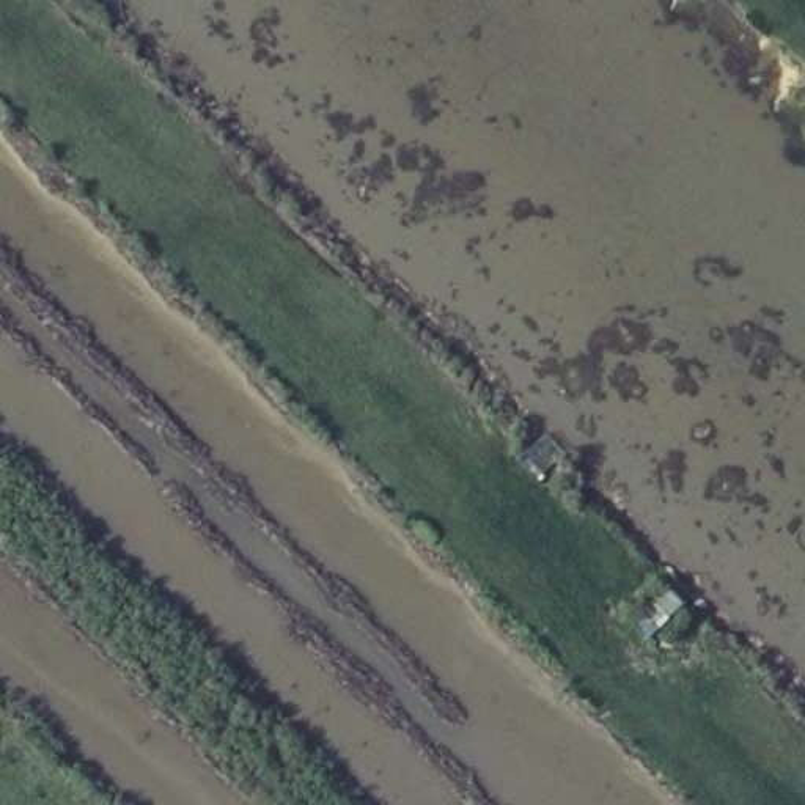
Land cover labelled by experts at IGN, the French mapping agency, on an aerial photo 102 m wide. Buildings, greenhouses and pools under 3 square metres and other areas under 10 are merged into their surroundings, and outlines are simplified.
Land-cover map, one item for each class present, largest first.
<instances>
[{"label":"water","instance_id":"1","mask_svg":"<svg viewBox=\"0 0 805 805\"><path fill-rule=\"evenodd\" d=\"M129 19H135L138 28L157 41V60L151 63L167 85L182 91L195 104V110L223 132L226 142L242 148L261 167L267 186L286 192L302 211V217H311L321 226V236L327 242L340 245L346 267L362 286L380 292L384 302L403 308L415 321V330L434 343H440L447 355L456 358L481 384V390L491 396L500 415H506L522 431V437L535 443L541 440V431L547 425L550 431H560L569 440V447L560 453L582 475L579 500L582 506L613 522L619 535L632 541L651 566H657L660 585L679 594V607L689 616L711 623L720 635H730L739 648L752 651L774 679V686L792 695V701L805 714V66L799 69V85L789 91L786 101H777L780 69L774 63L764 69L761 85H752V66L761 53V35L748 28L739 9L726 0H126ZM16 160L6 154V145L0 138V252L6 267H13V274L22 277L31 286V292L41 296L63 324L82 330L85 343L97 355H104L113 365V371H119L145 399H151L164 412V418L173 421L182 431V437L208 456L214 469H220L233 491H239L248 500L252 516L264 519L292 553L305 557V563L318 569V575L346 585L352 601L368 616V623L380 626V632L393 638L409 654V660L428 676L434 692L459 711V723L437 720L399 679L393 663L355 626L333 616L318 597V591L308 582H302V575H296L289 560L280 557L267 538H261L242 516L220 509L208 497L201 478L176 453H170L164 440L145 421H138L101 380H94L44 330V324L35 321L31 311L19 299H13L0 283V450L13 469L35 481V491L41 497H57L60 509L79 525L82 544L91 553H101L107 566L126 575L132 585H148V601L154 607L173 610L179 616V626H189L201 635L204 648H211L230 670L233 695L245 698L255 711H270L283 717V726L299 739V745L311 758H318L321 777L333 786L340 799L352 805H673V799L657 780L635 767L607 733L597 730L579 711L557 698L553 682L516 651L509 635L491 629L481 610L472 604V597L478 594V588L472 582H462V575L450 563L418 547L409 535H399L387 519L368 509L352 472L330 462L318 443H311L277 412L274 396L245 374V362L239 343L217 336L208 340L201 324L192 314H182L154 280H148V274L138 264H132L113 245L110 233L97 223V217L82 211L79 201L72 204L66 195L47 198L44 189L28 182V173L22 167L13 170ZM186 487L198 491L204 513L261 569H267L296 601H302L318 619H324L340 641H346L358 657L380 670V676L393 686L406 711H412L415 720L437 742L450 745L469 767H475L472 783L481 792L478 802H462L443 780H437L431 758L421 745L412 742L409 733L384 726L374 708L355 704L349 698V689H340V682L311 651L292 645V638L283 629L286 604L274 601L261 585L236 579L233 557H226L220 544L204 541L208 525L201 519L186 516ZM0 698L31 714L44 726L47 745L57 755V761L66 764L82 770L116 805H248L242 796L233 792L226 780H220L198 758V752L167 720H160L119 679V673L97 651H91L57 619L53 607L35 601L25 591L22 579L0 563Z\"/></svg>","mask_w":805,"mask_h":805},{"label":"herbaceous vegetation","instance_id":"2","mask_svg":"<svg viewBox=\"0 0 805 805\"><path fill-rule=\"evenodd\" d=\"M167 85L151 63H145L135 53L132 41L110 25L104 9L85 6L79 0H0V138L6 145V154L16 160L13 170L22 167L28 173V182L44 189L47 198L66 195L72 204L79 201L82 211L97 217V223L110 233L113 245L132 264H138L148 274V280H154L182 314H192L201 324L208 340L217 336L214 324L201 311V302L173 289L176 270H186L198 292L220 305L233 321H239L242 330H248L264 346L267 358L296 380L305 399L327 406L340 421L343 447L333 450V443H327V437L318 434L308 412L286 403L280 384L270 380L258 365L245 362V374L274 396L277 412L311 443H318L330 462L352 472L368 509L387 519L399 535H409L418 547L450 563L462 575V582H472L478 588V594L491 601L497 610H503L516 623V629H525V645H538L547 651L550 663L557 667V673L575 698L588 701L594 711H607V720L597 730L607 733L635 767L657 780L673 799V805H805V714L792 701V695L774 686V679L752 651L739 648L730 635H720L711 623L689 616V623L682 626L692 638L689 651H682L679 641H667L660 635L648 638L638 626V616L645 597L654 594L660 585L657 566H651L632 541L619 535L613 522L582 506L579 500L563 509L550 497L547 481L535 478L522 465L519 443L487 437L481 431V418L469 415L459 393H453L440 380L437 371L421 365V352L434 343L415 330V321L403 308L384 302L380 292L362 286L346 267L330 277V264L305 239H296V233L280 220L277 211L267 217L261 214L264 201L252 195V182L239 176L236 182H230L223 167L214 157H208V148L198 145L192 129H186V135L179 138L173 129H167V119L173 113L160 107V91ZM739 9L748 28L761 35L777 41L780 50L792 57V66L799 69L805 66V0H726ZM0 563L22 579L25 591L35 601L53 607L57 619L91 651H97L119 673V679L160 720H167L198 752V758L220 780H226L233 792L242 796L248 805H352L340 799L333 786L321 777L318 758H311L299 745V739L283 726V717L270 711H255L245 698L233 695L230 670L211 648H204L201 635L189 626H179V616L173 610L154 607L148 601V585H132L126 575L107 566L101 553H91L82 544L79 525L60 509L57 497H41L35 491V481L13 469L0 450ZM66 764L57 761V755L47 745L31 758L16 745L9 752H0V805H69L72 789H66L57 777Z\"/></svg>","mask_w":805,"mask_h":805},{"label":"brushwood","instance_id":"3","mask_svg":"<svg viewBox=\"0 0 805 805\"><path fill-rule=\"evenodd\" d=\"M85 6L104 9L110 25L132 41L135 53L145 63H151L157 60V41L138 28L135 19H129L126 0H79ZM160 107L173 113L167 119V129H173L179 138L186 135V129H192L198 145L208 148V157H214L223 167L230 182H236L239 176L252 182V195L264 201L261 214L267 217L277 211L280 220L296 233V239H305L330 264V277L346 267L340 245L327 242L321 236V226L311 217H302V211L286 192L267 186L261 167L242 148L226 142L223 132L195 110V104L182 91L167 85L160 91ZM0 283L13 299H19L31 311L35 321L44 324V330L94 380H101L138 421H145L164 440L170 453H176L201 478L208 497L220 509L242 516L261 538H267L280 557L289 560L296 575H302V582H308L318 591V597L333 616L355 626L393 663L399 679L437 720L459 723V711L434 692L428 676L409 660V654L393 638L380 632V626L368 623V616L352 601L346 585L318 575V569L305 563V557L292 553L264 519L252 516L248 500L239 491H233L220 469H214L208 456L182 437V431L173 421L164 418V412L151 399H145L119 371H113V365L104 355H97L85 343L82 330L63 324L41 296L31 292V286L22 277L13 274V267H6L0 252ZM173 289L201 302V311L214 324L217 336L239 343L245 362L258 365L270 380L280 384L286 403L308 412L318 434L327 437V443H333V450L343 447L340 421L327 406L305 399L296 380L267 358L264 346L248 330H242L239 321H233L220 305L198 292L186 270H176ZM421 365L437 371L440 380L453 393H459L469 415L481 418V431L487 437L519 443L522 437V431L506 415H500L491 396L481 390V384L456 358L447 355L440 343H434L421 352ZM547 481L550 497L563 509L579 500L582 475L560 453L547 459ZM186 516L201 519L208 525L204 541L220 544L226 557H233L236 579L261 585L274 601L286 604L283 629L292 638V645L311 651L340 682V689H349V698L355 704L374 708L384 726L409 733L412 742L421 745L431 758L437 780H443L462 802H478L481 792L472 783L475 767H469L450 745L437 742L415 720L412 711H406L393 686L380 676V670L358 657L346 641H340L324 619H318L302 601H296L267 569H261L204 513L198 491L186 487ZM472 604L481 610L491 629L509 635L516 651L553 682L557 698L579 711L597 730L607 720V711H594L588 701L575 698L557 673V667L550 663L547 651L538 645H525V629H516V623L503 610H497L491 601L478 594L472 597ZM689 623V616L679 607L667 619V626H660V635L667 641H679L682 651H689L692 638L682 626ZM16 745L31 758L47 745L44 726L31 714L0 698V752H9ZM57 777L66 789H72L69 805H116L82 770L66 764Z\"/></svg>","mask_w":805,"mask_h":805},{"label":"impervious surface","instance_id":"4","mask_svg":"<svg viewBox=\"0 0 805 805\"><path fill-rule=\"evenodd\" d=\"M569 447V440L560 431H550L547 425L541 431V440L535 443L522 437L519 443L522 465L535 478L547 481V459L560 453ZM679 594L660 585L654 594L645 597L638 616V626L648 638L660 635V626H667V619L679 607Z\"/></svg>","mask_w":805,"mask_h":805},{"label":"bare soil","instance_id":"5","mask_svg":"<svg viewBox=\"0 0 805 805\"><path fill-rule=\"evenodd\" d=\"M761 53L752 66V85H761L764 69L774 63L780 69L777 101H786L789 91L799 85V69L792 66V57L780 50L777 41L761 35Z\"/></svg>","mask_w":805,"mask_h":805}]
</instances>
